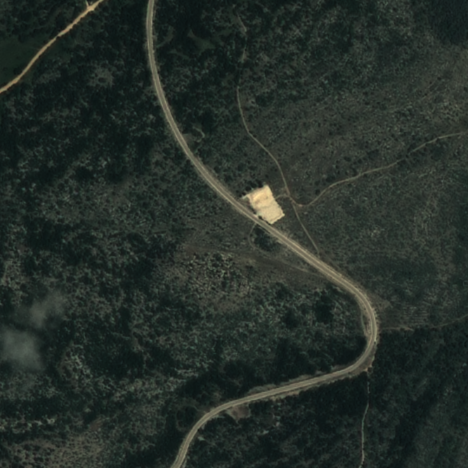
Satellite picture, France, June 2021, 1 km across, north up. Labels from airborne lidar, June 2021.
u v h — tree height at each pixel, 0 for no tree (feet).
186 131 30
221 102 21
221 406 0
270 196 0
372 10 18
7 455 24
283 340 25
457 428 26
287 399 24
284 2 30
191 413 21
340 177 0
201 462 23
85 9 0
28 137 18
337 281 0
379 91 0
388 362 30
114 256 20
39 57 20
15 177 22
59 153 22
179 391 22
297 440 22
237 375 20
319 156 0
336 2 24
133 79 18
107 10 35
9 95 33
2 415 27
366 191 0
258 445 19
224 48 20
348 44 20
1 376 19
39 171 26
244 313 18
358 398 26
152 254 19
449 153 0
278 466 23
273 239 0
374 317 0
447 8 34
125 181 0
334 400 32
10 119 24
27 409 25
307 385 0
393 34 18
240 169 24
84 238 19
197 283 0
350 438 22
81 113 23
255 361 22
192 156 0
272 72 20
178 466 0
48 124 20
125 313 22
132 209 23
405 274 21
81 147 24
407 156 20
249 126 0
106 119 25
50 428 40
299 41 23
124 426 19
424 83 0
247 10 26
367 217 0
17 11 25
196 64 21
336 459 24
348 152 0
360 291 0
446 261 0
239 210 0
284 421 24
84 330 20
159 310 27
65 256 18
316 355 25
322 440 21
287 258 0
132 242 20
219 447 22
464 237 19
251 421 27
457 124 0
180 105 27
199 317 23
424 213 0
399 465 26
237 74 22
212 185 0
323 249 0
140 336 24
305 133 0
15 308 21
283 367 22
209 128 25
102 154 21
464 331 22
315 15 23
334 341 24
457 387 25
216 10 25
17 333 23
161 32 24
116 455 23
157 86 0
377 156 0
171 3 19
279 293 21
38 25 20
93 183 23
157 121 25
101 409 27
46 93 19
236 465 22
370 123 0
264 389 0
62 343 22
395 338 19
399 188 0
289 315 27
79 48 21
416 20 18
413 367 24
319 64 18
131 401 25
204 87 22
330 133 20
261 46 19
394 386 26
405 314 0
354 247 0
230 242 0
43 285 30
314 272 0
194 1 31
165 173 20
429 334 25
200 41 0
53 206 22
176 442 29
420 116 0
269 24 23
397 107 0
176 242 22
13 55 0
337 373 0
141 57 20
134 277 20
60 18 28
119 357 26
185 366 22
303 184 0
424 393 20
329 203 0
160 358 24
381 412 21
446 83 0
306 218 0
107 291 21
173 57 27
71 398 19
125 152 17
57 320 33
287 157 0
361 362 0
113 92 25
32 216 21
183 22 34
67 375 26
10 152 25
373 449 20
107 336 25
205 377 31
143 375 27
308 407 27
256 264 0
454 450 23
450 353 22
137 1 31
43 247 20
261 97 18
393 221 0
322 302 23
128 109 19
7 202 25
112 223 19
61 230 31
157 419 19
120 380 22
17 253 19
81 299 24
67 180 20
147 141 36
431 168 0
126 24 23
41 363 20
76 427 19
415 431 28
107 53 27
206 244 0
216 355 23
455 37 23
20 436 26
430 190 0
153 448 29
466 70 0
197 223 0
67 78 30
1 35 40
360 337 21
